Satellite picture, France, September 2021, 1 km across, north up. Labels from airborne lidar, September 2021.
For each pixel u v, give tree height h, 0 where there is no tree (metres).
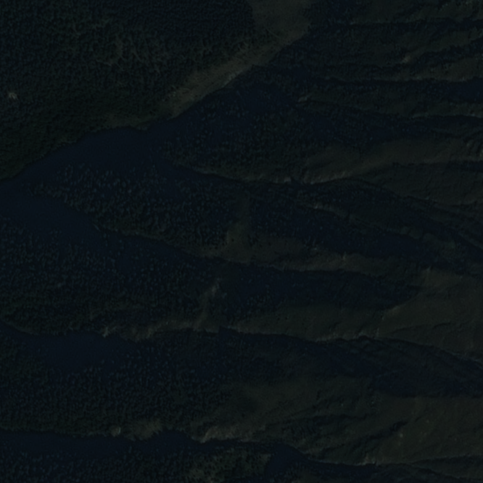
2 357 9
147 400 17
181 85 14
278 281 0
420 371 0
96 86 11
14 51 26
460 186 0
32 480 23
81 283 21
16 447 9
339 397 0
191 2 17
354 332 0
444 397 0
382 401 0
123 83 9
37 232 32
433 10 0
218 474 11
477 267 0
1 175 8
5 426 16
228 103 11
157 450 7
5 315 7
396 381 0
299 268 0
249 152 9
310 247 8
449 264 0
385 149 0
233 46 8
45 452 17
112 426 9
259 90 10
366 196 0
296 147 8
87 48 11
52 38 9
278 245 0
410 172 0
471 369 0
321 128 7
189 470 10
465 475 0
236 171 8
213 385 8
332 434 0
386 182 0
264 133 9
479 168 0
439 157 0
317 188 6
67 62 14
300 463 8
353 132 6
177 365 9
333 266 0
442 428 0
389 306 0
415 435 0
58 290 10
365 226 0
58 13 17
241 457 8
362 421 0
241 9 11
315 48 7
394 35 0
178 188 6
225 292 8
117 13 19
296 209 0
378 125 0
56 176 34
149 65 6
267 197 6
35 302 7
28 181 18
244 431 0
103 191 11
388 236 0
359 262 0
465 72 0
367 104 0
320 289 0
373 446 0
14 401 19
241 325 0
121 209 23
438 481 0
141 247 7
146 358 9
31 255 24
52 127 10
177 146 7
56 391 26
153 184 6
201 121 7
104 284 23
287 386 0
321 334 0
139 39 8
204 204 7
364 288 0
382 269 0
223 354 7
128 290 21
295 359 0
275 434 0
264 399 0
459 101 0
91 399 16
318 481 0
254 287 0
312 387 0
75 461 7
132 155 7
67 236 12
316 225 0
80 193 29
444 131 0
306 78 8
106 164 13
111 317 8
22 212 11
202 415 8
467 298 0
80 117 13
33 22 18
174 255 8
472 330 0
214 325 0
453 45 0
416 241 0
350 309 0
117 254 16
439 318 0
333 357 0
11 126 10
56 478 28
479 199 0
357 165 0
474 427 0
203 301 0
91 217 13
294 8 0
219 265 0
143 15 21
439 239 0
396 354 0
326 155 0
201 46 6
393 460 0
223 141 10
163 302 14
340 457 0
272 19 0
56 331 10
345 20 8
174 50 9
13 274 32
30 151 14
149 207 13
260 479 6
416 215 0
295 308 0
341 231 0
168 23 20
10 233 29
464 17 0
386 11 0
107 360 10
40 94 7
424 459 0
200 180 7
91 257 35
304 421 0
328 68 6
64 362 13
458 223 0
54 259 31
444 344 0
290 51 7
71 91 13
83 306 7
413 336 0
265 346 0
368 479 0
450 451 0
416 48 0
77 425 10
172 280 6
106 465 25
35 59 10
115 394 8
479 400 0
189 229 22
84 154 16
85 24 6
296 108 7
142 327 6
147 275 11
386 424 0
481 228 0
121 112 7
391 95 0
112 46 9
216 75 0
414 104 0
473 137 0
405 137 0
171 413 12
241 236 0
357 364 0
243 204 0
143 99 6
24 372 14
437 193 0
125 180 13
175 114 0
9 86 24
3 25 10
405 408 0
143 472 7
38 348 7
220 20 18
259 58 0
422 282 0
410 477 0
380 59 0
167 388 9
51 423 17
